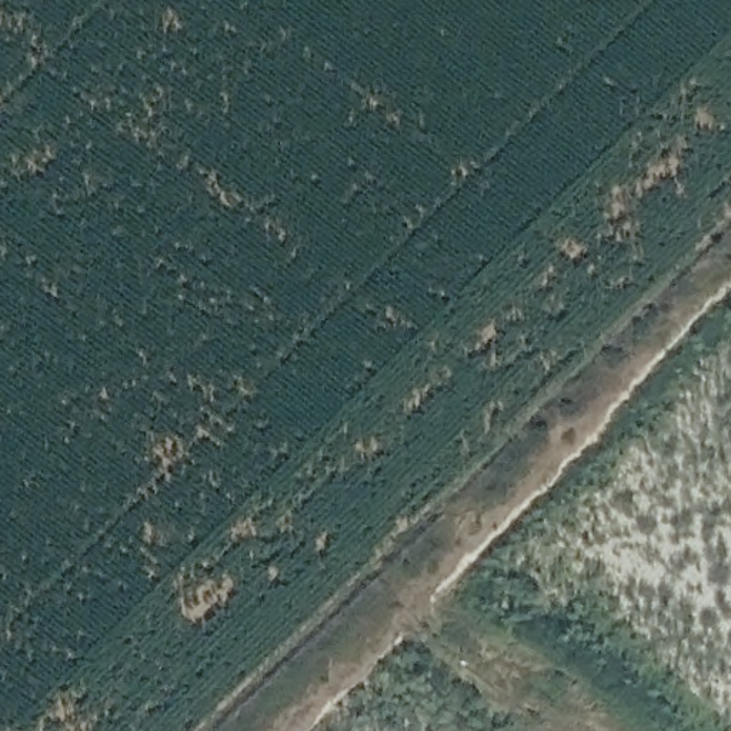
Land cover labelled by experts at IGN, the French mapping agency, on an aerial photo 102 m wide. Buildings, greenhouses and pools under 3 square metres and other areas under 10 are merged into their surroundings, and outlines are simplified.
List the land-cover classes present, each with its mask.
<instances>
[{"label":"agricultural land","instance_id":"1","mask_svg":"<svg viewBox=\"0 0 731 731\"><path fill-rule=\"evenodd\" d=\"M731 220V0H0V731H208V725L220 717L226 705H231L306 631H311L354 588L357 580H363L380 565V557L394 548L403 531L420 525L440 503L460 491L474 471H480L483 463L491 460V454H497L505 445L508 437H514L548 400L563 394V385L574 374H580L605 343H611L631 323V317L642 314L648 303H654L668 288V283H662L660 277L671 268L677 257H682L691 246L697 251L705 248L711 234H717Z\"/></svg>","mask_w":731,"mask_h":731},{"label":"brushwood","instance_id":"2","mask_svg":"<svg viewBox=\"0 0 731 731\"><path fill-rule=\"evenodd\" d=\"M725 277H731V220L717 234H711L705 248L697 251L691 246L682 257H677L671 268L660 277L662 283H668V288L654 303H648L642 314L631 317V323L611 343H605L580 374H574L563 385V394L548 400L514 437H508L505 445L497 454H491V460L483 463L480 471H474L460 491L440 503L420 525L403 531L394 548L380 557V565L363 580H357L354 588L311 631H306L231 705H226L220 717L208 725V731H271L280 711L303 700L308 688H320L323 682H328V662H360L366 651H374L383 642L385 625L391 614L400 608V591L408 580L420 574H440L443 557L451 551L448 540L454 537L457 503L471 500L497 508L514 500V491L523 480L531 471L528 457L545 448L548 428L557 420L577 417L603 394H614L622 388L625 360L660 348V343L671 337V331H677L694 314V303L700 297L711 294ZM694 368L717 380V445H708V425L700 428V443H694L688 434H680L674 425L680 391H691L700 383ZM631 443L642 451L685 454V460L694 468L697 485L714 483L717 465L728 460L731 451V291L722 303L711 306V311L691 326L685 340L622 403V408L614 414L603 437L594 445H588L583 457H577L565 468L557 485L537 497L477 557V563L468 565V571L457 580L451 591V597L457 600L454 611L463 614L471 625H477L485 637H494L497 631L514 634L517 640L540 648L548 662L565 660L568 665H574L588 682V694L594 700H603V708L608 714L605 722L628 731H731V728L717 708L697 702L680 671L662 665L660 648L648 637L637 634L628 620L617 617L620 603L611 591H583L574 594L565 605L551 603V608L545 611L543 605H537L540 588L531 574L520 568H503L500 551L505 545L528 543V537H543L545 520L568 531L577 525L580 491L608 488ZM731 514V500L711 505L702 517L705 540L720 525V517ZM694 514L682 508L671 517V543L691 537ZM711 565V583H728L731 571V568L725 543L705 551ZM480 688L474 682L460 680L445 662H437L423 642L403 640L397 648L388 651V657H383L371 668L368 682L354 685L348 691V700L340 702L311 731H500L511 725V714H488V708H480Z\"/></svg>","mask_w":731,"mask_h":731},{"label":"herbaceous vegetation","instance_id":"3","mask_svg":"<svg viewBox=\"0 0 731 731\"><path fill-rule=\"evenodd\" d=\"M700 383L691 391H680L674 425L680 434H688L694 443H700V428L708 425V445H717V380L694 368ZM614 394H603L577 417L557 420L548 428L545 448L528 457L531 471L523 480L528 488L545 485L560 465V457L574 445V440L597 428L600 414L605 411ZM500 525L497 508L471 500L457 503L454 537L448 540L451 551L443 557L440 574H420L408 580L400 591V608L391 614L385 625L383 642L374 651H366L360 662H328V682H323L320 688H308L303 700L280 711L271 731H311L340 702L348 700V691L354 685L368 682L371 668L383 657H388V651L397 648L403 640L423 642L437 662H445L460 680L474 682L480 688V708H488V714H511V725L500 731H628L605 722L608 714L603 708V700H594L588 694V682L574 665H568L565 660L548 662L540 648L517 640L514 634L497 631L494 637H485L477 625H471L463 614L454 611L457 600L451 597V591L440 600V605H428L431 591L437 588L443 574H448L457 565L460 554L477 543L480 531ZM585 531L577 525L568 531L545 520L543 537H528V543L505 545L500 551L503 568H520L531 574L540 588L537 605H543L545 611L551 608V603L565 605L574 594L583 591H611L620 603L617 617L628 620L637 634L648 637L660 648L662 665L680 671L697 702L717 708L731 728V603L725 594H717L714 605L702 611V631L694 634L688 600L674 597L668 585H648L645 580H611L603 560H591L571 548L574 540Z\"/></svg>","mask_w":731,"mask_h":731},{"label":"pervious surface","instance_id":"4","mask_svg":"<svg viewBox=\"0 0 731 731\"><path fill-rule=\"evenodd\" d=\"M731 291V277H725L711 294L700 297L694 303V314L677 331H671V337L660 343V348L625 360L622 388L614 394L605 411L600 414L597 428L574 440V445L560 457V465L545 485L528 488L523 480L514 491V500L497 508L500 525L480 531L477 543L460 554L457 565L448 574H443L437 588L431 591L428 605H440V600L451 591L457 580L468 571V565L477 563V557L537 497L557 485L565 468L577 457H583L588 445H594L603 437L614 414L622 408V403L685 340L691 326L711 311V306L722 303ZM731 500V451L728 460L717 465L714 483L697 485L694 468L685 460V454L642 451L631 443L608 488L580 491L577 525L585 531L574 540L571 548L591 560H603L611 580H645L648 585H668L674 597L688 600L694 634L702 631V611L714 605L717 594H725L731 603V571L728 583H711V565L705 551L725 543L731 568V514L720 517V525L705 540L702 517L711 505ZM682 508L694 514L691 537L671 543V517Z\"/></svg>","mask_w":731,"mask_h":731}]
</instances>
